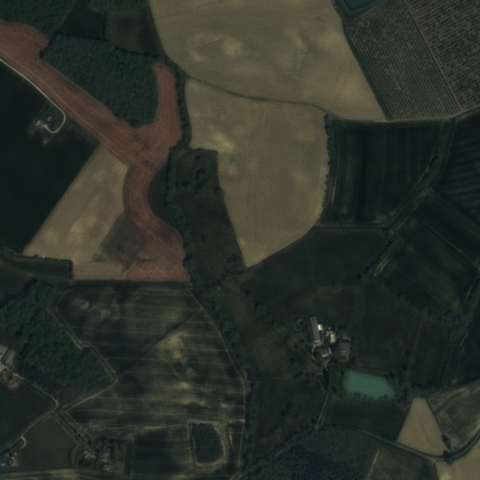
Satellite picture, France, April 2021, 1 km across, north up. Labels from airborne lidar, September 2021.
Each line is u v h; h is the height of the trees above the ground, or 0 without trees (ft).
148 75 75
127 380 0
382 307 0
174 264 0
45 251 0
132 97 63
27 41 0
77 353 82
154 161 0
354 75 0
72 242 0
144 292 0
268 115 0
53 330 74
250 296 63
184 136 30
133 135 0
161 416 0
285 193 0
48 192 0
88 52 72
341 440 52
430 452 0
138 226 0
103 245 0
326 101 0
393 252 0
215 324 0
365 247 0
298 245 0
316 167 0
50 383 35
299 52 0
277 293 0
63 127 0
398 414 0
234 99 0
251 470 56
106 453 0
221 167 0
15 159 0
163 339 0
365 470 55
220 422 0
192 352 0
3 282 0
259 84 0
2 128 0
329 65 0
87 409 0
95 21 0
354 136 0
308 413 0
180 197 0
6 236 0
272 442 0
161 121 0
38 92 0
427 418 0
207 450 46
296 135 0
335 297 0
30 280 0
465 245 0
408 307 0
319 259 0
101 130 0
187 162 0
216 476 0
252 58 0
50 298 62
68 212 0
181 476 0
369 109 0
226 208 0
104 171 0
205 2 0
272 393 0
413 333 0
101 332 0
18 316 83
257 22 0
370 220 0
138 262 0
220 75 0
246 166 0
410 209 0
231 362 0
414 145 0
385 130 0
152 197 0
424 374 0
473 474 0
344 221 0
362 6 0
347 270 0
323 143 0
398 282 0
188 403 0
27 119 0
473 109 0
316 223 0
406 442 0
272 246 0
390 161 0
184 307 0
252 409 59
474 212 0
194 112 0
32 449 0
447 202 0
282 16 0
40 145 0
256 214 0
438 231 0
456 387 0
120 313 0
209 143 0
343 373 0
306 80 0
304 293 0
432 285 0
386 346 0
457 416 0
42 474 0
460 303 0
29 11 67
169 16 0
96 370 54
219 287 37
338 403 0
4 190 0
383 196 0
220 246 0
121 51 46
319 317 0
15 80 0
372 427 0
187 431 0
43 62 43
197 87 0
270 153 0
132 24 0
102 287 0
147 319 0
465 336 0
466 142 0
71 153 0
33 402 0
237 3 0
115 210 0
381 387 0
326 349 0
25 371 36
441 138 0
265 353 0
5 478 0
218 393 0
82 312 0
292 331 0
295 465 35
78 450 0
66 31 0
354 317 0
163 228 0
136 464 0
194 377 0
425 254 0
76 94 0
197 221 0
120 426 0
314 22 0
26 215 0
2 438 0
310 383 44
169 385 0
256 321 0
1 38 0
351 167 0
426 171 0
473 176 0
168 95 0
